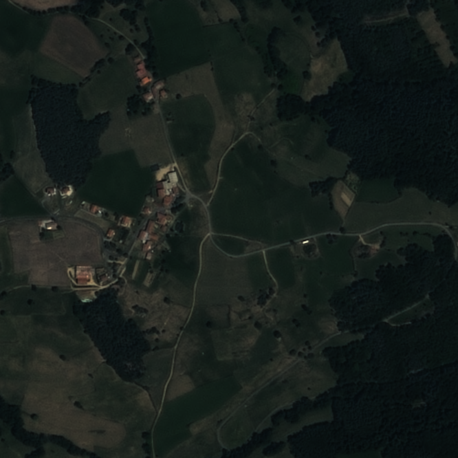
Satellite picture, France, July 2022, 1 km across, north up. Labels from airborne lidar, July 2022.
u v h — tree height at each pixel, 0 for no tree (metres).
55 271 0
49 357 0
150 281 0
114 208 0
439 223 0
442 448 27
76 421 0
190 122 0
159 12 0
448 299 13
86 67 0
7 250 0
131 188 0
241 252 0
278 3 0
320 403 24
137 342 20
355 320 13
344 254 0
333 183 10
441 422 23
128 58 0
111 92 0
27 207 0
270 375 0
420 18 0
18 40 0
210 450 0
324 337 0
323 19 27
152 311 0
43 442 19
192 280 0
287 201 0
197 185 0
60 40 0
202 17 0
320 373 0
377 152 30
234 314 0
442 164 22
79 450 20
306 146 0
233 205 0
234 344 0
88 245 0
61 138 12
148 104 8
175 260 0
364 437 15
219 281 0
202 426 0
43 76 0
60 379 0
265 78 0
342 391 26
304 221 0
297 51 0
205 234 0
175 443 0
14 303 0
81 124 20
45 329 0
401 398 22
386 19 0
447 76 14
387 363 22
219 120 0
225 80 0
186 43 0
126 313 0
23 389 0
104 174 0
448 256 11
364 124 27
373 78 18
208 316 0
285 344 0
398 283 10
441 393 30
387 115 32
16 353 0
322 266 0
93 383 0
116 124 0
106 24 0
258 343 0
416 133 14
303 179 0
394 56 17
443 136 13
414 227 0
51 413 0
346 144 25
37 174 0
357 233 0
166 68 0
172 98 0
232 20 11
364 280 12
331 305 9
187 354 0
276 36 23
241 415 0
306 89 0
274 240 0
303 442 14
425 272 19
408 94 33
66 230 0
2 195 0
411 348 19
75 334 0
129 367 11
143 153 0
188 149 0
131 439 0
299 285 0
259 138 0
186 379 0
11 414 22
